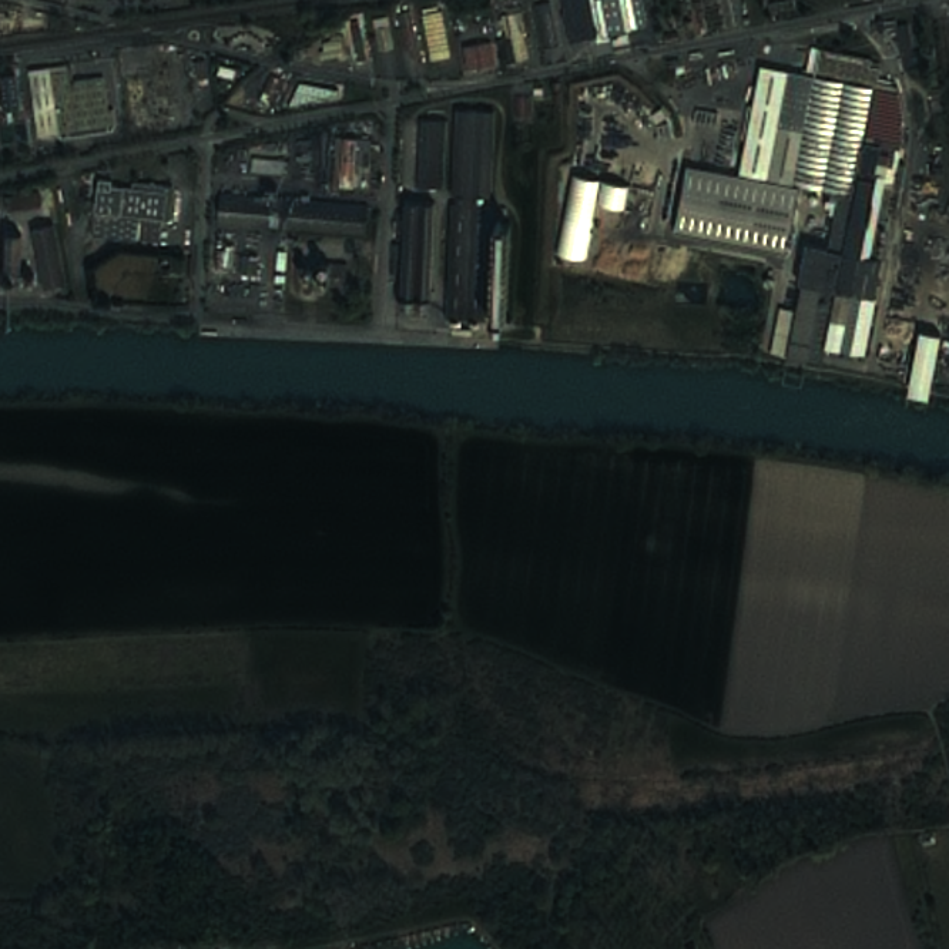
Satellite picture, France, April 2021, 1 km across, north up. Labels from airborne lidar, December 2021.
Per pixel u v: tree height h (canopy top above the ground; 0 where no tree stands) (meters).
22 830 0
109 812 22
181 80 0
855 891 0
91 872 18
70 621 0
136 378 0
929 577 0
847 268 0
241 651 0
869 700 0
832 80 0
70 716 0
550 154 0
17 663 0
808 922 0
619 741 0
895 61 0
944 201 0
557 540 0
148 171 0
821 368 0
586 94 0
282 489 0
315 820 26
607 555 0
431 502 0
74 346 0
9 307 0
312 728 26
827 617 0
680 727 0
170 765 6
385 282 0
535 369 0
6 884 0
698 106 0
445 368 0
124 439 0
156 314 0
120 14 10
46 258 0
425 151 0
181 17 0
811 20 0
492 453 0
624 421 0
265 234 0
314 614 0
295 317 0
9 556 0
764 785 0
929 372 0
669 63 0
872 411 0
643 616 0
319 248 0
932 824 6
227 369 0
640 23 0
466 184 0
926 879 0
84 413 0
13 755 0
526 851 0
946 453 0
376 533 0
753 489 0
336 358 0
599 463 0
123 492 0
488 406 0
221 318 0
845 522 0
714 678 0
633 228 0
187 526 0
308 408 18
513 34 0
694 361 9
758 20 0
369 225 0
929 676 0
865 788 8
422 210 0
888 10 0
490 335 0
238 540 0
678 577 0
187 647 0
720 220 0
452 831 12
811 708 0
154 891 7
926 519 0
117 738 15
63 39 0
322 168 0
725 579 0
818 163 0
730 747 0
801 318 0
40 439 0
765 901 0
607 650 0
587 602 0
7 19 0
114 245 13
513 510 0
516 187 0
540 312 0
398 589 0
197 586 0
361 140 0
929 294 0
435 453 0
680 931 19
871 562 0
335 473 0
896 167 0
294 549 0
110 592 0
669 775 0
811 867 0
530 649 0
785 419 0
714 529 0
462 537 0
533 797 6
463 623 0
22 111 0
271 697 0
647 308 0
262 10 0
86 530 0
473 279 0
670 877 25
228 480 0
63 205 0
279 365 0
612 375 0
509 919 8
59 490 0
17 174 0
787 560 0
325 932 6
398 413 16
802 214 0
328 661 0
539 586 0
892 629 0
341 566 0
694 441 17
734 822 18
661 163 0
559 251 0
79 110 0
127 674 0
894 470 8
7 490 0
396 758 21
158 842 20
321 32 8
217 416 0
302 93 0
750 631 0
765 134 0
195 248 0
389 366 0
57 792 8
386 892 25
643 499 0
